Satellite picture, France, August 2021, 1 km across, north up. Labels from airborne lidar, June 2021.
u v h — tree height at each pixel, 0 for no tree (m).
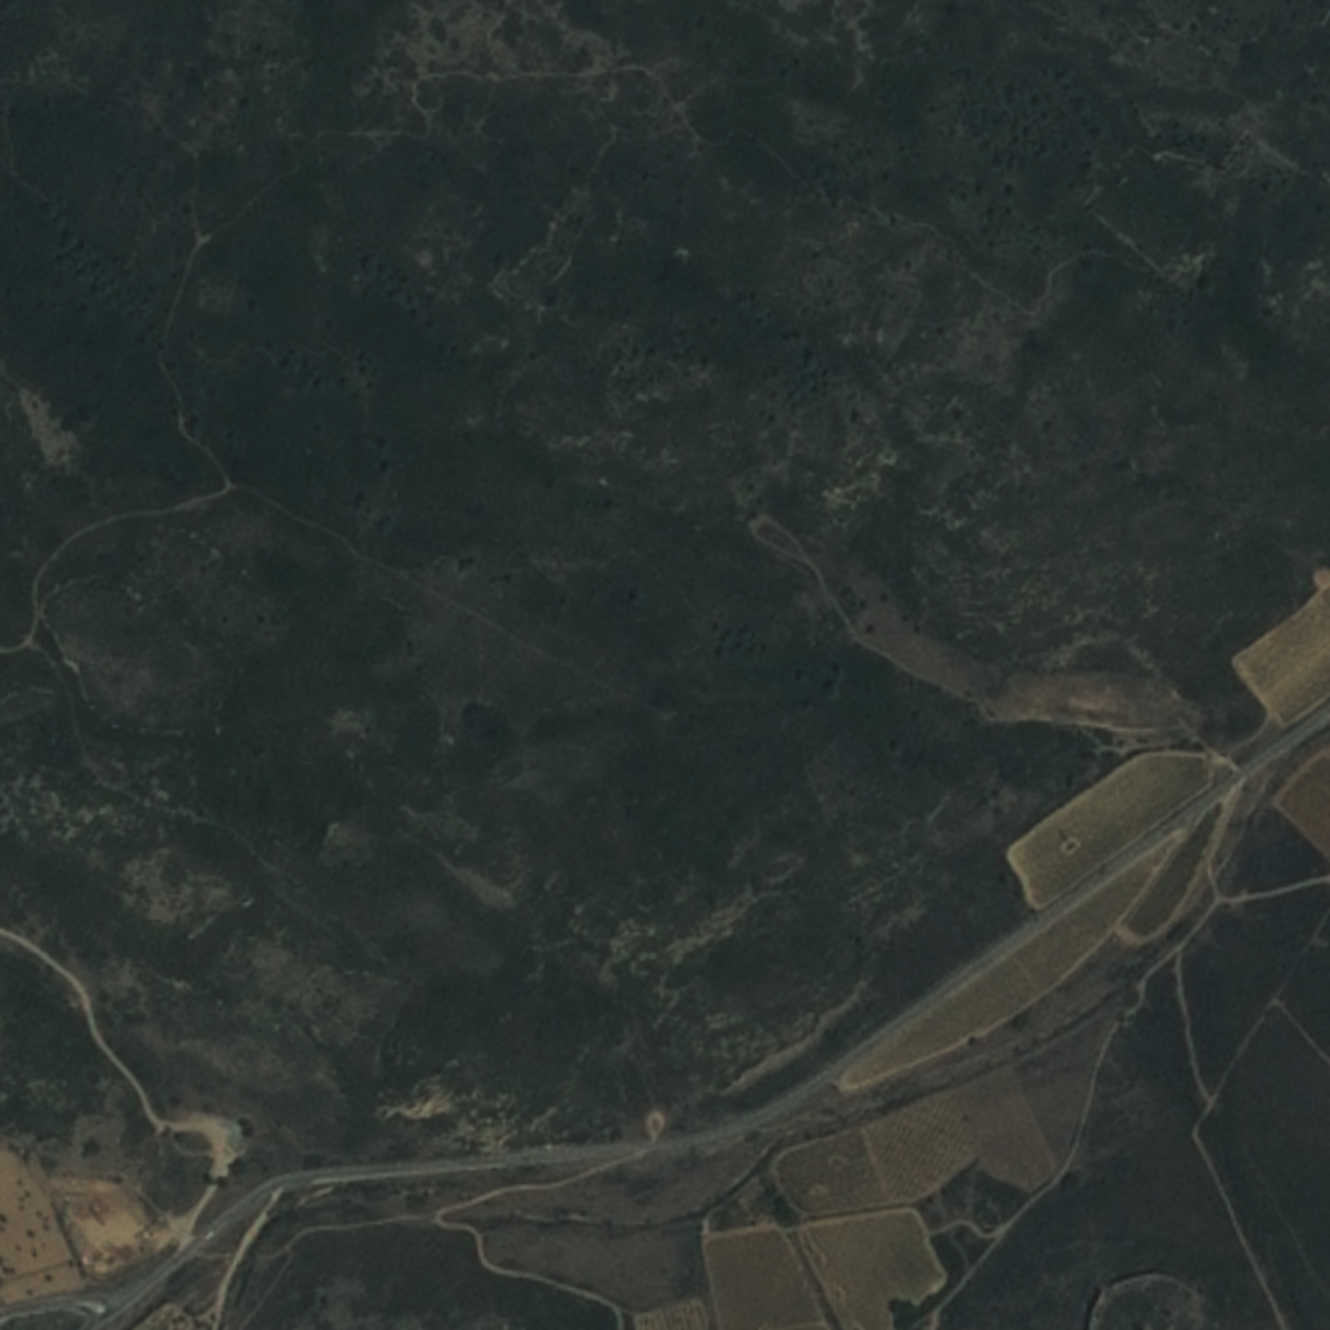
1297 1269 0
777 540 0
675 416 0
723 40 0
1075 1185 6
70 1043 0
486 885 0
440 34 0
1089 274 7
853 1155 0
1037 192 0
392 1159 0
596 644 0
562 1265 0
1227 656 0
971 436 0
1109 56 0
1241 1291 0
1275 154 0
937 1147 0
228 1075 0
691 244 0
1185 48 0
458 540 0
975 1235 0
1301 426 0
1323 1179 0
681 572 0
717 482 0
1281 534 0
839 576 0
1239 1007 0
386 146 0
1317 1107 0
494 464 0
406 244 0
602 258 0
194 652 0
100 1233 0
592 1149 0
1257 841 0
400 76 0
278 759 0
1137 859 0
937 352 0
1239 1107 0
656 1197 0
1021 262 0
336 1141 0
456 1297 0
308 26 0
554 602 0
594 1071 0
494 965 0
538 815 0
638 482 0
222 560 0
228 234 0
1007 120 7
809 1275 0
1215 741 0
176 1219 0
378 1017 0
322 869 0
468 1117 0
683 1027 0
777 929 0
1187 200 0
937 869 0
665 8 0
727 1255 0
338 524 0
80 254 11
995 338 0
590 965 0
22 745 0
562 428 0
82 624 0
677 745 0
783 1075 0
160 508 0
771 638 0
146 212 0
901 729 0
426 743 0
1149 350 0
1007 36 0
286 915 0
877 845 0
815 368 7
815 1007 0
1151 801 0
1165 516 0
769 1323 0
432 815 0
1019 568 0
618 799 0
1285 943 0
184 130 0
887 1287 0
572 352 0
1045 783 0
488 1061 0
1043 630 0
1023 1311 0
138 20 0
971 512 0
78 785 0
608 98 0
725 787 0
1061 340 0
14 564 0
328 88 0
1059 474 0
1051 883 0
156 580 0
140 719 0
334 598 0
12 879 0
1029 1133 0
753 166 0
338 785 0
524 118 0
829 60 0
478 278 0
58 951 0
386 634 0
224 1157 0
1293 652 0
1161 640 0
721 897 0
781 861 0
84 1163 0
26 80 0
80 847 0
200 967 0
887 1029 0
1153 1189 0
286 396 0
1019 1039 0
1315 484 0
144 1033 0
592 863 0
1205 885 0
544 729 0
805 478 0
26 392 0
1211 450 0
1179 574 0
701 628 0
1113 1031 0
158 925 0
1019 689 0
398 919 0
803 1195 0
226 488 0
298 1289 0
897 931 0
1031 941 0
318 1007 0
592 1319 0
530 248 0
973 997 0
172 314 0
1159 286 6
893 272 0
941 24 0
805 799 0
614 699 0
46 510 0
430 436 0
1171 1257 0
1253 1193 0
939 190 0
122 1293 0
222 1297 0
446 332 0
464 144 0
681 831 0
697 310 0
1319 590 0
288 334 0
